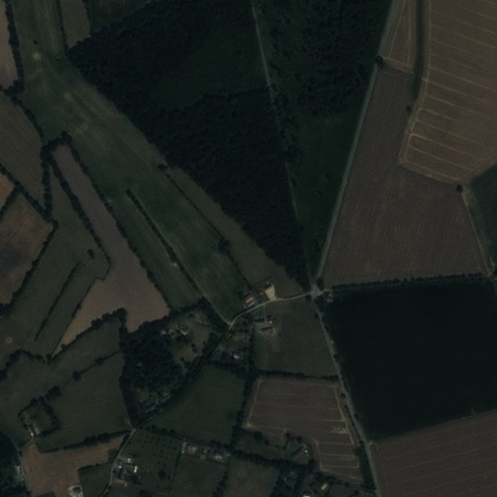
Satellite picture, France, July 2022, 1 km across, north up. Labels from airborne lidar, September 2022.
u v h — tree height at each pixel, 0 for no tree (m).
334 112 21
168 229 0
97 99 0
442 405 0
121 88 18
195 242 0
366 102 0
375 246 0
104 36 17
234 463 0
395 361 0
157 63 17
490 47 0
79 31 0
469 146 0
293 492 16
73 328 0
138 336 6
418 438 0
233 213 15
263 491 0
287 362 0
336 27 21
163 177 0
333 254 0
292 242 25
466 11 0
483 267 0
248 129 16
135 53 18
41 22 0
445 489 0
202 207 0
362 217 0
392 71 0
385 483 0
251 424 0
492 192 0
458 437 0
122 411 0
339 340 0
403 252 0
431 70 0
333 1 22
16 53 16
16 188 11
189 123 19
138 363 8
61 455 0
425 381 0
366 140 0
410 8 0
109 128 0
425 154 0
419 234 0
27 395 0
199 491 0
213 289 0
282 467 16
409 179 0
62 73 0
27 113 12
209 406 0
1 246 0
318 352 0
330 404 0
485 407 0
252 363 20
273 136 22
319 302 17
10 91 16
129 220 0
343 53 21
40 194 0
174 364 8
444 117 0
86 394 0
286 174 23
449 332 0
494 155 0
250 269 0
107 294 0
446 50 0
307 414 0
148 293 0
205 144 12
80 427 0
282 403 0
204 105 16
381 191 0
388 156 0
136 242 0
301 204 0
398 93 0
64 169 0
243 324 8
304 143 0
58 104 0
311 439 0
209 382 0
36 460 0
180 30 20
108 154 0
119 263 0
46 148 14
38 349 0
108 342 0
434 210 0
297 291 0
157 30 21
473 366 0
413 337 0
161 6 17
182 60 17
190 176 9
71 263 0
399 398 0
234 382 0
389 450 0
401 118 0
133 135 0
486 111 0
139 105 19
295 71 0
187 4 21
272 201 17
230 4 17
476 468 0
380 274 0
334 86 19
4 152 0
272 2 0
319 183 0
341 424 0
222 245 8
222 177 18
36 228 0
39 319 0
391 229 0
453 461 0
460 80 0
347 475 0
